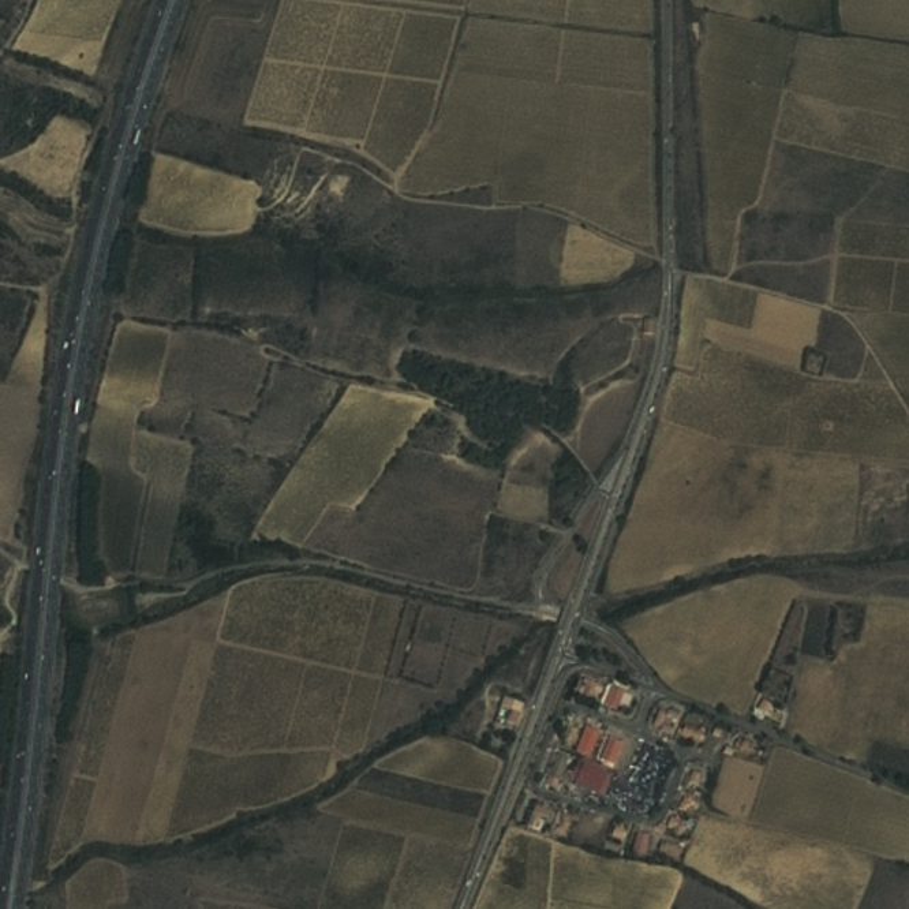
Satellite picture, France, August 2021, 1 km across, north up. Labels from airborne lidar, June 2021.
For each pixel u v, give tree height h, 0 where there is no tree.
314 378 0
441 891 0
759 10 0
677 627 0
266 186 0
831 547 0
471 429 9
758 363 0
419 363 6
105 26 0
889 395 0
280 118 0
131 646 0
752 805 0
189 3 0
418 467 0
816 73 0
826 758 0
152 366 0
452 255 0
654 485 0
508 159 0
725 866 0
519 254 0
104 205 0
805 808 0
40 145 0
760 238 0
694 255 0
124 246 10
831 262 0
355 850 0
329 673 0
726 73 0
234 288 0
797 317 0
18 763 0
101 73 0
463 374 8
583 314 0
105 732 0
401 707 0
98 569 14
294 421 0
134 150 0
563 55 0
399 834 0
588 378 0
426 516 0
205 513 0
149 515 0
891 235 0
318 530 0
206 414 0
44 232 0
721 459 0
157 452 0
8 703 12
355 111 0
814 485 0
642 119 0
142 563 0
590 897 0
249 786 0
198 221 0
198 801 0
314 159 0
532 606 0
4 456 0
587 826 0
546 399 8
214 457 0
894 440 0
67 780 0
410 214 0
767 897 0
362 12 0
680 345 0
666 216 0
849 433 0
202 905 0
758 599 0
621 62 0
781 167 0
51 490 0
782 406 0
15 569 0
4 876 0
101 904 0
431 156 0
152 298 0
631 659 0
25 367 0
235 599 0
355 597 0
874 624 0
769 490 0
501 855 0
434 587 8
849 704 0
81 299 0
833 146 0
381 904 0
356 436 0
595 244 0
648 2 0
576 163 0
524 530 0
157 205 0
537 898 0
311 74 0
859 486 0
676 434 0
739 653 0
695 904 0
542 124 0
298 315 0
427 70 0
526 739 0
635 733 0
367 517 0
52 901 0
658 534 0
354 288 0
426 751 0
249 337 0
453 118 0
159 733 0
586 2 0
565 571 0
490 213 0
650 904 0
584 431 0
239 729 0
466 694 7
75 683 12
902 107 0
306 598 0
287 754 0
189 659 0
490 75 0
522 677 0
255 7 0
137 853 7
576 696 8
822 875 0
